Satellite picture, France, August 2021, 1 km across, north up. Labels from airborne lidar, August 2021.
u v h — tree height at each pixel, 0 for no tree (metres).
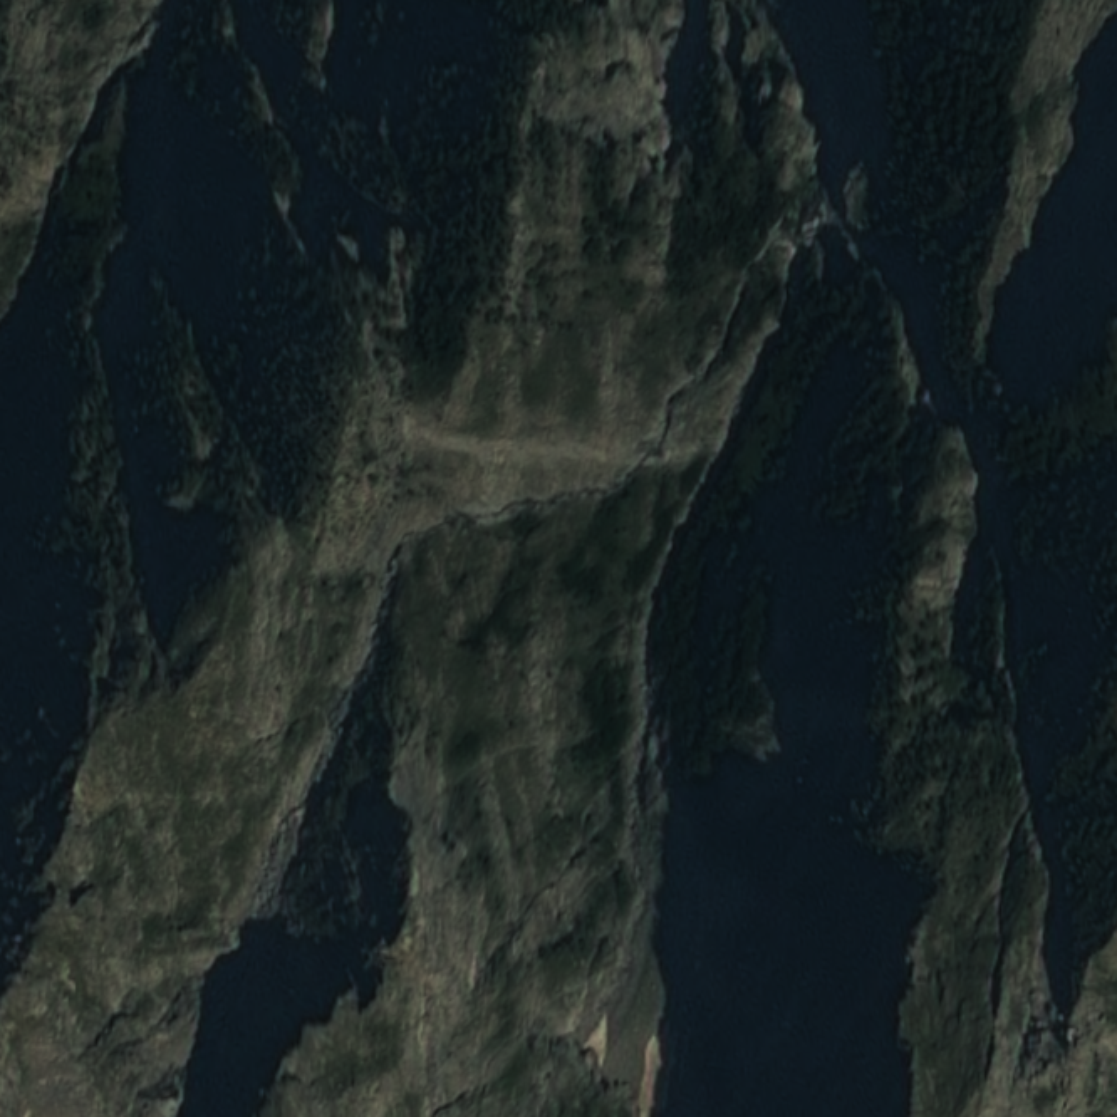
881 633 10
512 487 0
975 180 20
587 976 0
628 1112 0
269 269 14
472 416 0
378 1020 0
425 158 7
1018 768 8
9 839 0
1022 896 0
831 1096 0
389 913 0
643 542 0
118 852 0
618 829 0
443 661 0
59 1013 0
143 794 0
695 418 0
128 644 0
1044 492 8
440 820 0
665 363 0
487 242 11
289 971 0
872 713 9
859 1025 0
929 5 15
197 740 0
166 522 0
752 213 6
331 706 0
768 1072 0
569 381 0
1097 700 10
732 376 0
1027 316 6
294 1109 0
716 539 6
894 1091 0
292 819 0
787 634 0
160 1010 0
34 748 0
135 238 0
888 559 6
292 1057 0
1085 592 6
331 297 9
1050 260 0
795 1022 0
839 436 12
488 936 0
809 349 7
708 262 6
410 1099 0
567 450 0
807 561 7
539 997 0
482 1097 0
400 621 0
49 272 7
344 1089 0
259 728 0
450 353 8
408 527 0
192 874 0
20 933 0
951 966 7
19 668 0
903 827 0
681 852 0
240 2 0
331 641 0
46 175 0
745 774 0
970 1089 0
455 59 19
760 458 0
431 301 14
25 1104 0
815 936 0
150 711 0
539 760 0
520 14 23
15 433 8
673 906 0
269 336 12
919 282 15
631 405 0
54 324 7
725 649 9
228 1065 0
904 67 15
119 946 0
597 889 0
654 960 0
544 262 9
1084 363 8
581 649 0
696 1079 0
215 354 6
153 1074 0
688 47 0
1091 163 0
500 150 8
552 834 0
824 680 8
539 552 0
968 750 0
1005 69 8
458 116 7
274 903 0
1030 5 13
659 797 0
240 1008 0
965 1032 0
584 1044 0
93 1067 0
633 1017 0
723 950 0
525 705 0
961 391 8
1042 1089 0
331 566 0
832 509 8
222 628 0
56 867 0
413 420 0
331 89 9
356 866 0
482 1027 0
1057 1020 0
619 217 12
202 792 0
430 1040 0
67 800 0
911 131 9
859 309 8
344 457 0
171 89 9
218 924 0
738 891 0
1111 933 0
